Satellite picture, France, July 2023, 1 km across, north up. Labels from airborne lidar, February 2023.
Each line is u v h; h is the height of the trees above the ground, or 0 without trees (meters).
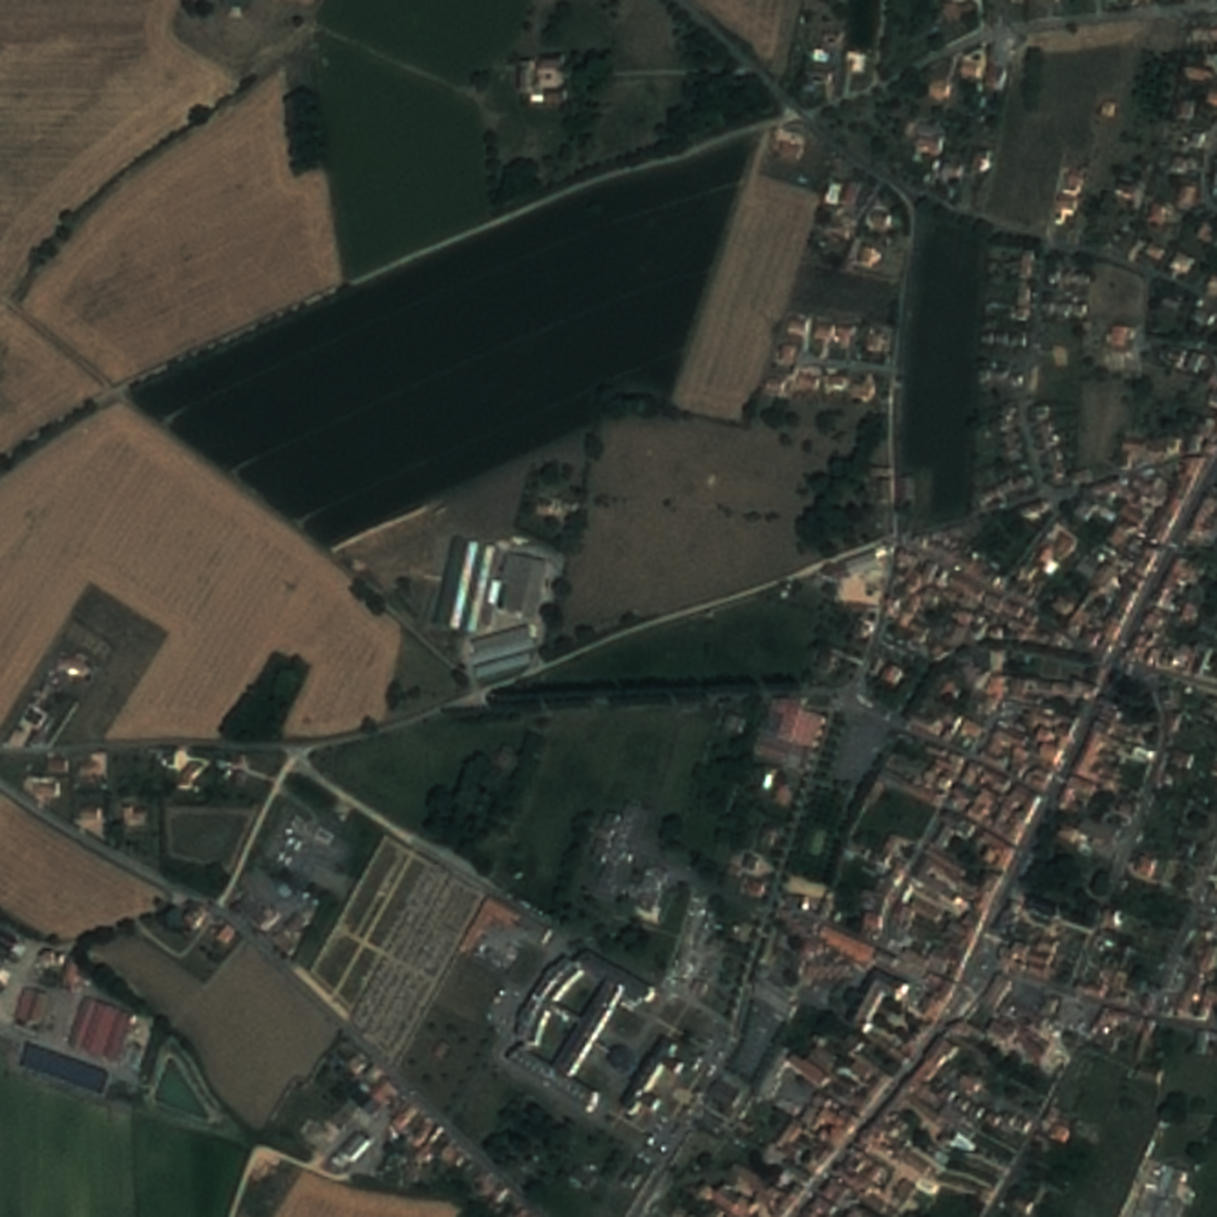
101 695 0
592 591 0
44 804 0
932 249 0
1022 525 10
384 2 0
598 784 0
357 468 0
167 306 0
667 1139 0
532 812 0
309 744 0
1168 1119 14
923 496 0
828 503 17
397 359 0
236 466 0
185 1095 0
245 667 0
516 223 0
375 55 0
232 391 0
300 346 0
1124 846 0
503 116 0
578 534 13
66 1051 0
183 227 0
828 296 0
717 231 0
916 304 0
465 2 0
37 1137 0
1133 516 0
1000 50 0
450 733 0
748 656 0
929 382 0
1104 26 0
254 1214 0
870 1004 0
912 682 7
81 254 0
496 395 0
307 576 0
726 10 0
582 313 0
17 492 0
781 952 9
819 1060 0
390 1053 0
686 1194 7
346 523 0
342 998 0
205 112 13
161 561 0
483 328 0
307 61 0
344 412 0
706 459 0
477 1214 6
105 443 0
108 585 0
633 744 0
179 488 0
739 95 13
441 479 0
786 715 0
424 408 0
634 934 16
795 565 0
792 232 0
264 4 0
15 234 0
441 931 0
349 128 0
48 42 0
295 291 0
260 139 0
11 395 0
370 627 0
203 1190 0
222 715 0
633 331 0
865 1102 0
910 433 0
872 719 0
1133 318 0
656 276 0
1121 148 0
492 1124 0
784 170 0
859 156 0
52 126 0
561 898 12
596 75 18
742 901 0
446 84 0
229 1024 0
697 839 0
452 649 0
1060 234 0
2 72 0
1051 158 0
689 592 0
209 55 0
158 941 0
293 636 0
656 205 0
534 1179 7
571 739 0
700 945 0
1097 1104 0
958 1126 0
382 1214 0
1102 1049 12
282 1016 0
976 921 0
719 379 0
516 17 0
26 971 0
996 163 0
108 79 0
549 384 0
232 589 0
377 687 0
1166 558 0
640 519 0
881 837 6
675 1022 0
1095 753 0
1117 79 0
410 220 0
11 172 0
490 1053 0
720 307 0
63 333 0
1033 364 0
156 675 0
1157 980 0
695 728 0
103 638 0
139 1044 0
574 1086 0
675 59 0
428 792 0
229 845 0
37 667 0
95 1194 0
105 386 0
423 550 0
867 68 0
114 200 0
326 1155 0
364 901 0
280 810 0
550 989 0
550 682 0
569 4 8
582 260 0
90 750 0
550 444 0
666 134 9
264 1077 0
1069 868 18
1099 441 0
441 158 0
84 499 0
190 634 0
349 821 0
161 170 0
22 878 0
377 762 0
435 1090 0
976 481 0
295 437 0
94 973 10
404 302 0
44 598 0
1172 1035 8
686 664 0
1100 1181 0
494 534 0
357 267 0
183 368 9
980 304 0
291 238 0
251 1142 0
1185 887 6
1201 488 0
